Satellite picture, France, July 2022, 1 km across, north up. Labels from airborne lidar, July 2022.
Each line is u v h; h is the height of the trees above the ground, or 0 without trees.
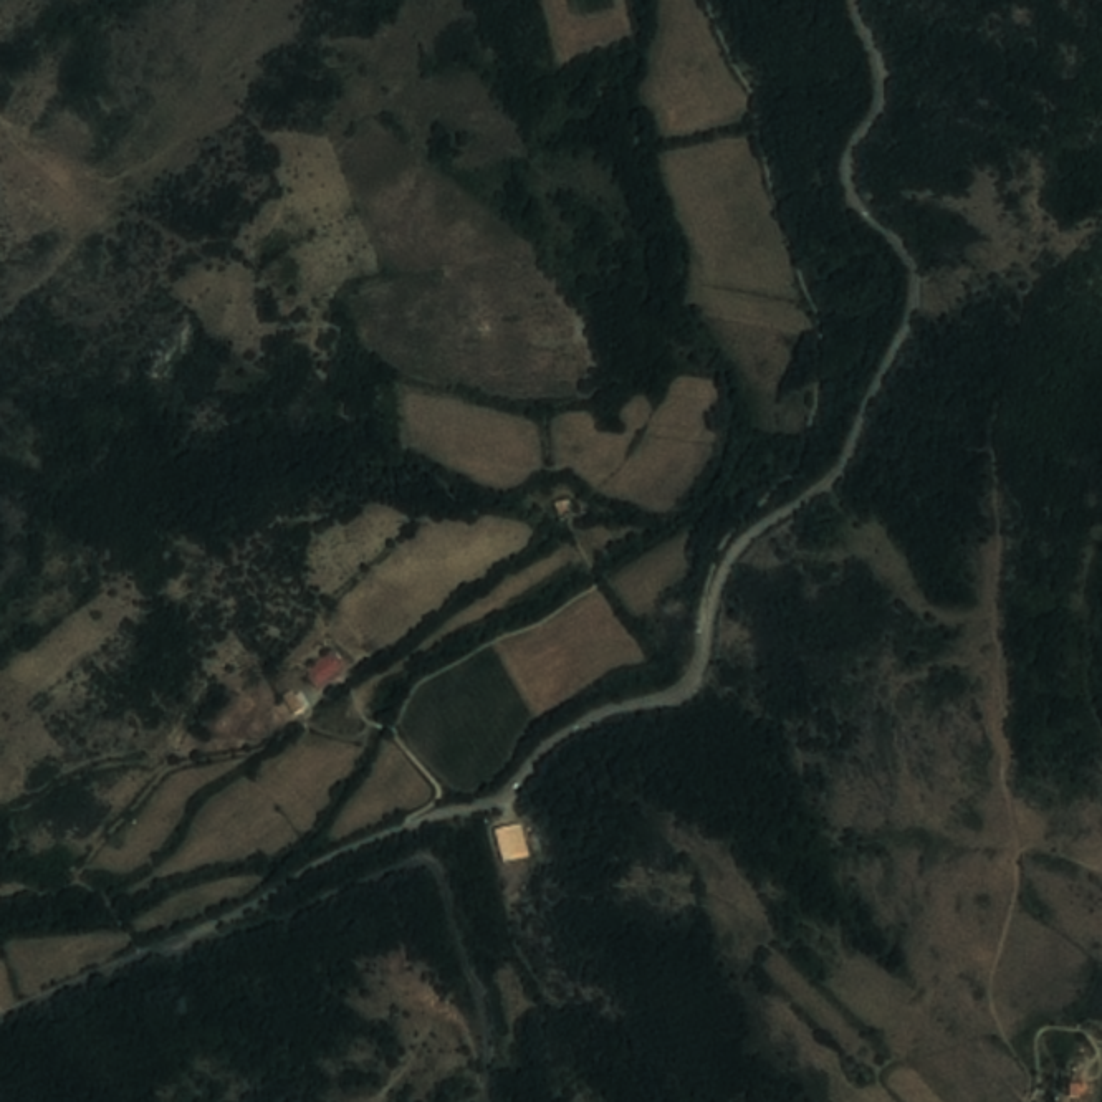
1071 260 7
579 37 0
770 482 7
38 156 0
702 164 0
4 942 10
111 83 0
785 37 11
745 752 14
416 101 0
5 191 0
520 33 15
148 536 9
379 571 0
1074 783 7
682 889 0
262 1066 11
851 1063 7
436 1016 0
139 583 9
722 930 0
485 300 0
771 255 0
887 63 9
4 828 8
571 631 0
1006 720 7
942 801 0
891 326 13
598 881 8
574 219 7
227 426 11
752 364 0
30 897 6
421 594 0
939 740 0
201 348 7
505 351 0
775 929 7
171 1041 10
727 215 0
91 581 7
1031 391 18
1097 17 8
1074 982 0
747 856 10
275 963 12
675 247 15
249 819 0
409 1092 9
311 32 6
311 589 8
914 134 5
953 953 0
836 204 11
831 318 13
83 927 8
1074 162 14
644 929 8
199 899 0
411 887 11
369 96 0
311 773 0
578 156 10
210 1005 18
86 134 0
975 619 0
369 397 13
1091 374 18
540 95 10
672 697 0
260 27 0
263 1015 10
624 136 18
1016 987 0
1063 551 11
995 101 9
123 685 9
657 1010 10
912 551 11
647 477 0
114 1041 15
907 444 9
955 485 9
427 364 0
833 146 11
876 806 0
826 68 12
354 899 10
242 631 11
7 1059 10
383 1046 8
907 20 9
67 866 9
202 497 9
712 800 9
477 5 12
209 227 8
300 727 13
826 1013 0
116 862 0
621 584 0
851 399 9
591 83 11
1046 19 9
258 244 0
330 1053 7
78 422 7
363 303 0
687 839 0
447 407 0
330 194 0
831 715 7
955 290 0
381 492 11
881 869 0
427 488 14
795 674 8
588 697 7
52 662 0
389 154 0
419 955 6
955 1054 0
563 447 0
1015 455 15
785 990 0
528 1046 8
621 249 13
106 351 8
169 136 0
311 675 0
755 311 0
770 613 7
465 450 0
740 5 11
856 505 9
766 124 8
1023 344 12
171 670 14
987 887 0
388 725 15
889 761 0
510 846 0
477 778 0
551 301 0
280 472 12
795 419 0
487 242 0
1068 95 10
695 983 8
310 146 0
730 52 9
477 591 14
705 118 0
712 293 0
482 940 10
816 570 6
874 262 12
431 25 0
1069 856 0
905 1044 0
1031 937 0
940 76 7
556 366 0
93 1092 13
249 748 9
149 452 16
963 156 7
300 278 0
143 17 0
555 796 10
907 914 0
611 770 10
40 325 7
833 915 7
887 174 7
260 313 7
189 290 0
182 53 0
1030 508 10
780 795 14
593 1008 9
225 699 6
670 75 0
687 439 0
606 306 11
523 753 9
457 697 0
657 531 12
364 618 0
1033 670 10
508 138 0
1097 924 0
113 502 8
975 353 9
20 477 11
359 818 0
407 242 0
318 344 9
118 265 6
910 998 0
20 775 0
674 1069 9
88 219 0
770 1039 0
